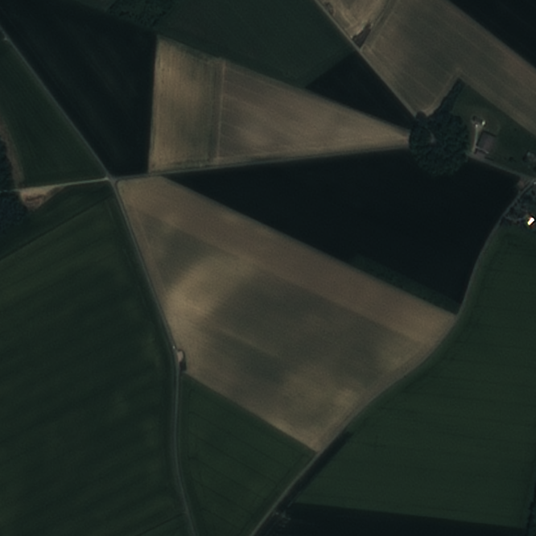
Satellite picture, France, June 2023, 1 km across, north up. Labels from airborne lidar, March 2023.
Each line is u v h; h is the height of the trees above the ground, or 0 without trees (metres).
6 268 0
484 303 0
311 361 0
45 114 0
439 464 0
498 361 0
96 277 0
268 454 0
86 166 0
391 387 0
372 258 0
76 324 0
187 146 0
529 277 0
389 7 0
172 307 0
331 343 0
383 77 0
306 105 0
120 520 0
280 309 0
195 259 0
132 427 0
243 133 0
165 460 0
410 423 0
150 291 0
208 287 0
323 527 0
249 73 0
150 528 0
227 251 0
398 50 0
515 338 0
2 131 0
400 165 0
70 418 0
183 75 0
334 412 0
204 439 0
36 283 0
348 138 0
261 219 0
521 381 0
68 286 0
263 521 0
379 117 0
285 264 0
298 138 0
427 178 0
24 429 0
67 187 0
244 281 0
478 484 0
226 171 0
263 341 0
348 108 0
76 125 0
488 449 0
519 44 0
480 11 0
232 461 0
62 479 0
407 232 0
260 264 0
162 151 0
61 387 0
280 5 0
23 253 0
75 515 0
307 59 0
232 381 0
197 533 0
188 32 0
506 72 0
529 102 0
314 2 0
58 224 0
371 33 0
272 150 0
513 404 0
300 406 0
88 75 0
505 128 0
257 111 0
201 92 0
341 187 0
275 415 0
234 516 0
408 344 0
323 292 0
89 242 0
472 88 0
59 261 0
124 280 0
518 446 0
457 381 0
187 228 0
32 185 0
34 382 0
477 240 0
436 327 0
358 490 0
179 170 0
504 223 11
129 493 0
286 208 0
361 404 0
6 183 12
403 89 0
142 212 0
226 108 0
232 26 0
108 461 0
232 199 0
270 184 0
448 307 0
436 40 0
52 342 0
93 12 0
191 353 0
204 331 0
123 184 0
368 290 0
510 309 0
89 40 0
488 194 0
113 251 0
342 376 0
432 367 0
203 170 0
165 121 0
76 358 0
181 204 0
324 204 0
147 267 0
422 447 0
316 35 0
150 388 0
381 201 0
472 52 0
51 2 0
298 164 0
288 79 0
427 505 0
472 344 0
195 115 0
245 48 0
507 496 0
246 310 0
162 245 0
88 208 0
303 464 0
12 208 15
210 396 0
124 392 0
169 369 0
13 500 0
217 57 0
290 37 0
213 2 0
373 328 0
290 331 0
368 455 0
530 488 0
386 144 0
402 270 0
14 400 0
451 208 0
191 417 0
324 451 0
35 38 0
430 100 0
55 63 0
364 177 0
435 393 0
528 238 0
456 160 11
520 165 0
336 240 0
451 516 0
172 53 0
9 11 0
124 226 0
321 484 0
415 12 0
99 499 0
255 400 0
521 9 0
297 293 0
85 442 0
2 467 0
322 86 0
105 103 0
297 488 0
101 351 0
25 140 0
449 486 0
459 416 0
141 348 0
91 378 0
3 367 0
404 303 0
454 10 0
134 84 0
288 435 0
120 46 0
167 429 0
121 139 0
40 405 0
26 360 0
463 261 0
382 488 0
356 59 0
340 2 0
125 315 0
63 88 0
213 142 0
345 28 0
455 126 17
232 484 0
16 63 0
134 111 0
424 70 0
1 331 0
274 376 0
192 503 0
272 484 0
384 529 0
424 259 0
